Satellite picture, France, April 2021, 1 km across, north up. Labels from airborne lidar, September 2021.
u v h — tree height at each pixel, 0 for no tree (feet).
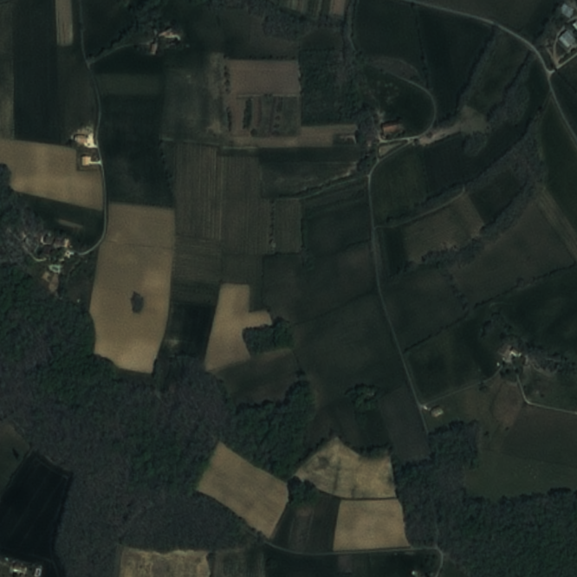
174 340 0
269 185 0
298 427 73
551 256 0
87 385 67
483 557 59
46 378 78
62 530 76
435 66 0
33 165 0
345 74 27
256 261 0
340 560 0
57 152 0
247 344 32
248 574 0
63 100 0
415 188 0
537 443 0
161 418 45
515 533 69
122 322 0
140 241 0
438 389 0
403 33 0
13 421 53
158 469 79
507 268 0
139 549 54
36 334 68
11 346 65
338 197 0
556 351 0
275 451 71
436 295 0
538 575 58
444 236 0
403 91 0
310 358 0
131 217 0
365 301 0
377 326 0
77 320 73
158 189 0
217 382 53
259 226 0
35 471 0
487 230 44
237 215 0
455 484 74
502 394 0
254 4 43
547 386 0
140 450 74
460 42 0
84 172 0
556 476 0
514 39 0
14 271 75
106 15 0
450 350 0
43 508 0
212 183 0
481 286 0
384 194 0
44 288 37
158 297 0
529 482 0
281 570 0
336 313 0
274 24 46
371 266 0
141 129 0
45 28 0
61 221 0
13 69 0
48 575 0
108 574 51
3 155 0
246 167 0
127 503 28
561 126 0
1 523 0
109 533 55
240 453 42
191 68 0
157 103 0
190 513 67
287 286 0
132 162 0
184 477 49
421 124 0
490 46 42
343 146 0
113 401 42
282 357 0
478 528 83
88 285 0
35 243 69
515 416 0
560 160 0
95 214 0
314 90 21
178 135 0
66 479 0
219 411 48
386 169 0
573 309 0
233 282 0
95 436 55
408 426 0
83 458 61
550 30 48
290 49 0
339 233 0
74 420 58
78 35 0
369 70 0
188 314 0
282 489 0
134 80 0
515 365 39
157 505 67
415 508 40
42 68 0
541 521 66
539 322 0
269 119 0
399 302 0
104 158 0
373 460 38
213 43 0
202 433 52
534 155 38
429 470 73
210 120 0
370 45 0
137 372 0
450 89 0
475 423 31
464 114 0
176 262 0
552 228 0
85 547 60
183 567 0
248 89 0
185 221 0
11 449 0
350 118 29
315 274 0
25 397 55
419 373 0
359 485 0
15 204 54
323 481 0
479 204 0
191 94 0
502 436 0
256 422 82
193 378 66
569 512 72
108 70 0
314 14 0
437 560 20
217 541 61
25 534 0
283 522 0
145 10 80
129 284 0
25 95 0
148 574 0
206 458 71
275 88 0
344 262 0
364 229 0
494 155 0
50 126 0
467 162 0
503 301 0
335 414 0
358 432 0
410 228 0
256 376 0
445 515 75
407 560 0
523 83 43
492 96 0
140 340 0
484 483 0
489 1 0
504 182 0
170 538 60
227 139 0
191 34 0
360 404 70
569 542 70
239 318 0
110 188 0
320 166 0
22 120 0
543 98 0
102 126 0
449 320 0
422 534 55
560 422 0
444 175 0
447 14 0
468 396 0
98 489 54
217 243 0
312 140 0
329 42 0
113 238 0
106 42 0
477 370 0
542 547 65
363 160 28
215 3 53
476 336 0
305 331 0
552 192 0
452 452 71
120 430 66
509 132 0
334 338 0
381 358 0
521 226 0
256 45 0
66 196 0
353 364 0
